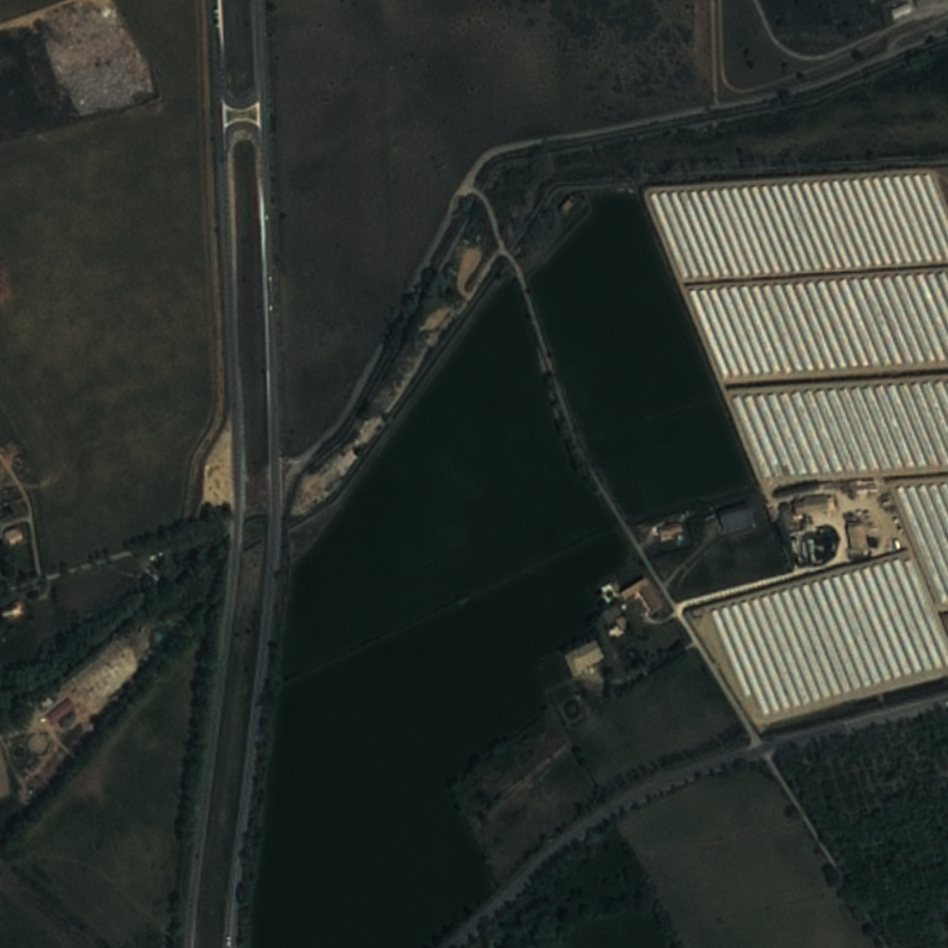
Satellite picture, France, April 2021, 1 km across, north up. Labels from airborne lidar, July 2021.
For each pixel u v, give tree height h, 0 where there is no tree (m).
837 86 6
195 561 15
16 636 0
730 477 0
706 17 0
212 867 0
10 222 0
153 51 0
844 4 0
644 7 0
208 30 0
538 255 12
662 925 14
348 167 0
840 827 12
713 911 0
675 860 0
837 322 0
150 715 0
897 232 0
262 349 0
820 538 7
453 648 0
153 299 0
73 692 0
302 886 0
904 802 14
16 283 0
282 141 0
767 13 0
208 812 0
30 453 0
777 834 0
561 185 0
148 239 0
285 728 0
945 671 0
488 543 0
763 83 0
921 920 15
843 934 0
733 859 0
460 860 0
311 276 0
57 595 6
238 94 0
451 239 6
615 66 0
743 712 0
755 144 0
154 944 0
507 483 0
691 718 0
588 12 0
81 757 19
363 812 0
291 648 0
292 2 0
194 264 0
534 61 0
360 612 0
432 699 0
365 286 0
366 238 0
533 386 0
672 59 0
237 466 0
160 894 0
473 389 0
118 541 0
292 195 0
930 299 0
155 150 0
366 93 0
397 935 0
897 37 0
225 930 0
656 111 0
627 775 0
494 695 0
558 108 0
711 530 0
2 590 10
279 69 0
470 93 0
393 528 0
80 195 0
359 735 0
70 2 0
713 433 0
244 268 0
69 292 0
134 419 0
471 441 0
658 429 0
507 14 0
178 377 0
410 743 0
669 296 0
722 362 0
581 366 0
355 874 0
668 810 0
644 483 0
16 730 21
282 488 0
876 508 0
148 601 10
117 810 0
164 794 0
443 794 0
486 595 0
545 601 0
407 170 0
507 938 8
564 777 0
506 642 0
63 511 0
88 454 0
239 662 0
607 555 0
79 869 0
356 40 0
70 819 0
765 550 0
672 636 0
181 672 0
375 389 0
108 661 0
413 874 0
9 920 0
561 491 0
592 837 14
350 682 0
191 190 0
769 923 0
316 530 0
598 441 0
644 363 0
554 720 0
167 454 0
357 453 12
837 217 0
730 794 0
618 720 0
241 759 0
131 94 0
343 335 0
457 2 0
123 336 0
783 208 0
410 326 11
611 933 0
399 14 0
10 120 0
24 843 18
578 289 0
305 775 0
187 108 0
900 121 0
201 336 0
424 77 0
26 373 0
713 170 13
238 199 0
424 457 0
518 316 0
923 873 14
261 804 11
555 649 0
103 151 0
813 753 7
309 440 0
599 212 0
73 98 0
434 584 0
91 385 0
